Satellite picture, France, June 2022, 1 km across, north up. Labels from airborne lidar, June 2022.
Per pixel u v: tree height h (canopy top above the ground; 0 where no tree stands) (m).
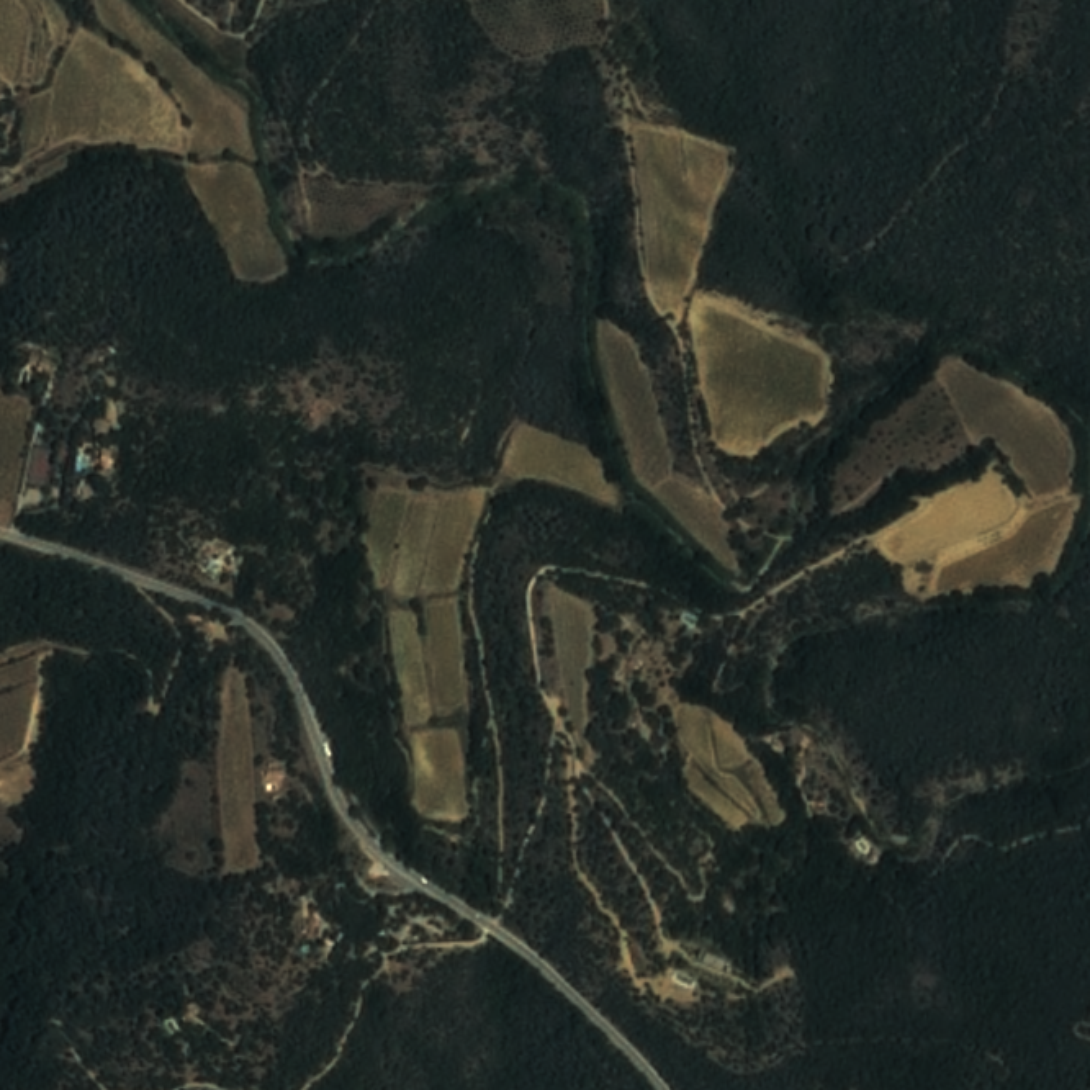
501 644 8
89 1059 11
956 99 8
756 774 0
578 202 7
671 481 0
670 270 0
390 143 7
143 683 11
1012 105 7
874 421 11
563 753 9
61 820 16
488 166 6
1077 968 7
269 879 7
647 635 7
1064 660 7
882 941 7
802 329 0
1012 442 0
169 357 8
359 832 0
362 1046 7
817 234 14
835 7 6
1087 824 10
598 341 6
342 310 7
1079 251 8
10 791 0
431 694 0
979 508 0
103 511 7
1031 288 8
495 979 9
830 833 14
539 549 7
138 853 10
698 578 12
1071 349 8
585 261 5
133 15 0
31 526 13
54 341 7
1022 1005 8
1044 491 0
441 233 7
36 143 0
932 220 7
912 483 18
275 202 8
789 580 6
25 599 13
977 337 6
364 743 13
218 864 9
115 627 10
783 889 13
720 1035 6
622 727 13
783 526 11
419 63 7
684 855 8
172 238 7
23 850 14
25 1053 11
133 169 8
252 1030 8
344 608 8
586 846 8
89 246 7
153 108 0
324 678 11
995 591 11
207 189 0
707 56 7
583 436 12
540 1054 8
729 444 0
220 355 7
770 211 10
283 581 10
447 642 0
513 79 7
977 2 8
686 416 5
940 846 6
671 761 8
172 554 7
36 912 14
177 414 8
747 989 10
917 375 14
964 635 8
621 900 7
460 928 6
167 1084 11
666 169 0
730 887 8
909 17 10
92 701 10
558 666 0
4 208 16
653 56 9
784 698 8
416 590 0
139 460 9
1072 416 8
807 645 12
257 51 9
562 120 6
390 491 0
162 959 10
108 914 8
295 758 6
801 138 8
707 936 7
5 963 22
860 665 6
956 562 0
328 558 14
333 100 6
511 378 8
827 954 7
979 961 8
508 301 8
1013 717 9
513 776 6
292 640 7
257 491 16
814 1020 7
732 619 7
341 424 8
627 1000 6
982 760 7
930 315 7
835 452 20
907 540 0
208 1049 10
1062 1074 6
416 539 0
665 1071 6
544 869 9
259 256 0
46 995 12
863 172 8
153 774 11
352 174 8
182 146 0
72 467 6
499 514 7
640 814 11
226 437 12
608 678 14
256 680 6
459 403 8
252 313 7
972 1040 7
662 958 9
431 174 6
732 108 10
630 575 8
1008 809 7
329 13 6
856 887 14
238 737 0
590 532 9
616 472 14
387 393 5
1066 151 10
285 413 7
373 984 6
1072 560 11
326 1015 7
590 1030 7
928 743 6
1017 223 7
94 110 0
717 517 0
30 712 0
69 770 9
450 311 7
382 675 12
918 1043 12
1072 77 7
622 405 0
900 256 8
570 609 0
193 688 11
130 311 10
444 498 0
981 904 6
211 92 0
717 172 0
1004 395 0
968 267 8
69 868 13
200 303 7
